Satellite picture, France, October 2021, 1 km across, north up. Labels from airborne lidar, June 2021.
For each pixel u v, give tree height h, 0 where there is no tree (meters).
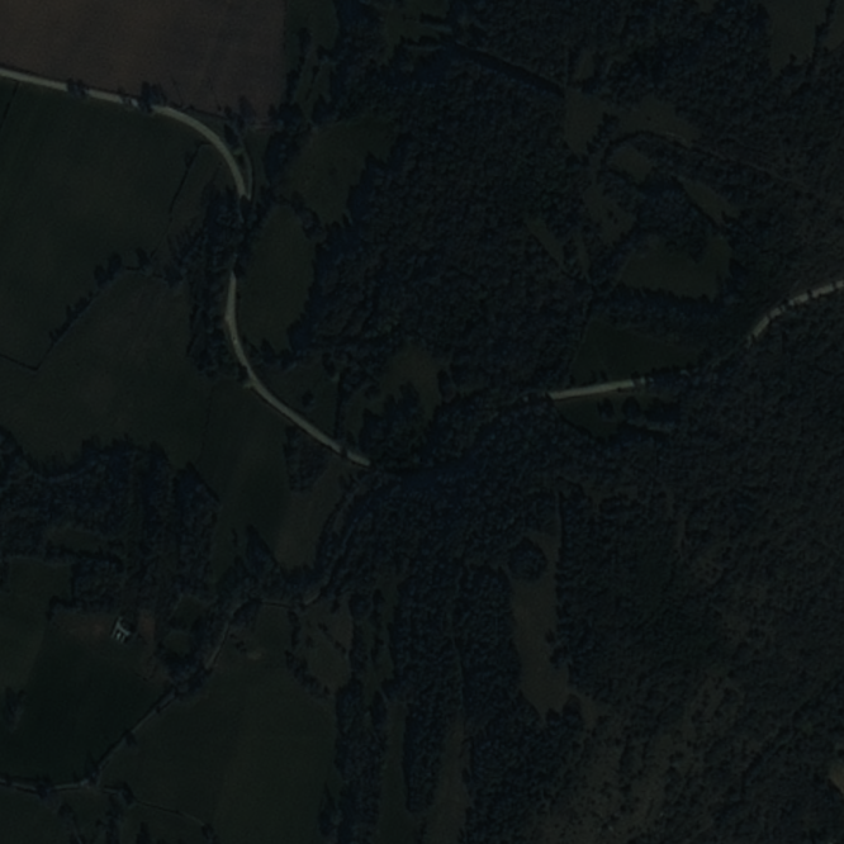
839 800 19
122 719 0
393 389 0
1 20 0
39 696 0
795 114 9
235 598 16
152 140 0
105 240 0
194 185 0
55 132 0
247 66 0
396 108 17
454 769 0
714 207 0
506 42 15
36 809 0
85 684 0
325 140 0
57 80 0
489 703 16
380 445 13
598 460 13
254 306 0
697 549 7
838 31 0
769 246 11
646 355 0
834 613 12
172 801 0
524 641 0
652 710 10
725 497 6
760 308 10
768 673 10
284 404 0
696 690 7
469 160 11
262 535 0
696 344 18
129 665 0
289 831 0
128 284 0
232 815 0
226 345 12
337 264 16
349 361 12
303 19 0
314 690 10
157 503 18
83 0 0
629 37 16
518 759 13
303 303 0
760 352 11
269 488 0
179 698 10
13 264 0
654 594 14
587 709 0
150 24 0
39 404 0
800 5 0
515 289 21
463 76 13
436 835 0
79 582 16
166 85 0
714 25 7
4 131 0
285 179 17
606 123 7
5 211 0
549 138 16
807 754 14
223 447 0
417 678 20
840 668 7
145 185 0
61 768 0
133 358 0
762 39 14
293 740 0
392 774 0
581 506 7
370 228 22
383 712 13
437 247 14
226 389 0
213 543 11
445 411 8
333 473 0
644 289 0
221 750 0
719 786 10
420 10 0
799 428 9
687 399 19
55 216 0
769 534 9
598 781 0
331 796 0
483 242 14
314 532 0
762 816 10
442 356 17
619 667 6
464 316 18
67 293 0
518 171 15
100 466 17
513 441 10
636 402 0
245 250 16
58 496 10
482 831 12
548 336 12
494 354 21
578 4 16
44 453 0
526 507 8
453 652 21
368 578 9
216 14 0
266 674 0
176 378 0
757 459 11
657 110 0
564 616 8
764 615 8
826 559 8
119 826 17
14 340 0
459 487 14
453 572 21
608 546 13
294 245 0
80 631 0
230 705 0
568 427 8
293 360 7
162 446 0
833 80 8
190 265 6
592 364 0
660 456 9
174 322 0
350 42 14
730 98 8
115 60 0
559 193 7
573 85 7
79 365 0
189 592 16
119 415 0
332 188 0
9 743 0
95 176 0
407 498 10
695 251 21
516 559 13
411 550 16
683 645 21
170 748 0
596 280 11
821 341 11
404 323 16
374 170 13
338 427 7
